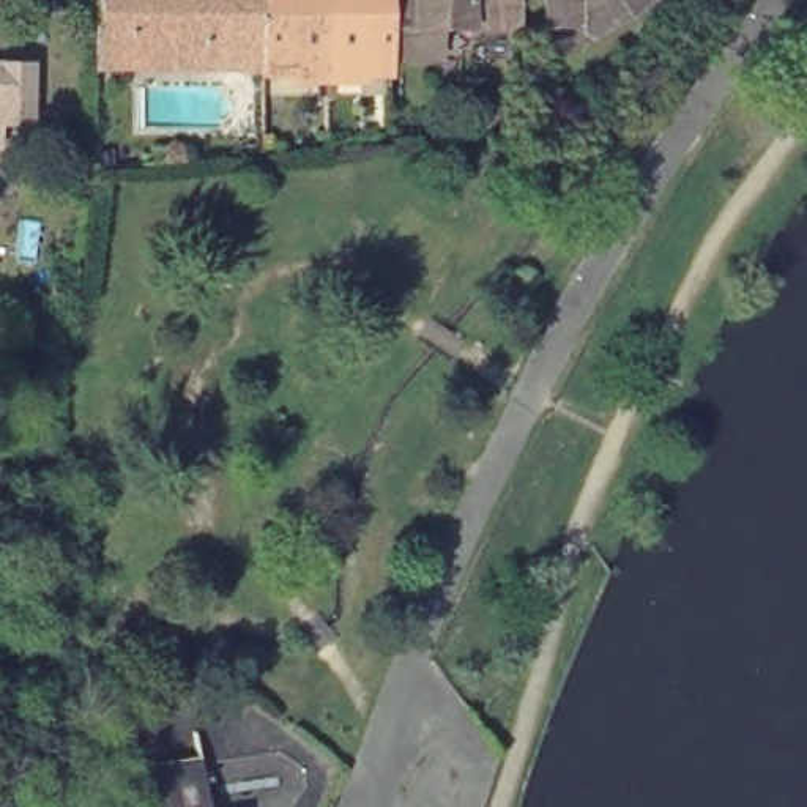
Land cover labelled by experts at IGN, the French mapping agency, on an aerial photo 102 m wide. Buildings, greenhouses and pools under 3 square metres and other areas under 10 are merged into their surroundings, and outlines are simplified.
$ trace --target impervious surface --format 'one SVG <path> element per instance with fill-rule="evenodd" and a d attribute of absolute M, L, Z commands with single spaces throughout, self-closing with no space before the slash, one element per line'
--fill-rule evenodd
<path fill-rule="evenodd" d="M 627 258 L 615 246 L 605 255 L 583 258 L 574 265 L 574 274 L 558 287 L 558 318 L 549 325 L 545 340 L 536 350 L 530 350 L 526 363 L 523 375 L 511 388 L 503 388 L 495 404 L 495 435 L 482 460 L 473 460 L 463 470 L 467 489 L 460 495 L 457 514 L 448 517 L 429 539 L 429 545 L 441 555 L 441 580 L 432 589 L 419 593 L 419 618 L 426 618 L 429 624 L 416 634 L 410 649 L 397 653 L 394 659 L 366 741 L 350 766 L 350 779 L 337 807 L 492 807 L 504 763 L 495 763 L 482 747 L 479 734 L 470 725 L 476 719 L 476 712 L 460 700 L 454 684 L 438 668 L 454 637 L 454 624 L 444 618 L 451 612 L 448 589 L 454 586 L 454 577 L 463 567 L 470 542 L 479 536 L 501 482 L 514 467 L 514 457 L 526 432 L 545 416 L 555 388 L 567 375 L 577 350 L 586 344 L 593 312 L 602 303 L 605 281 L 627 268 Z"/>
<path fill-rule="evenodd" d="M 252 79 L 243 73 L 167 73 L 167 82 L 173 88 L 221 91 L 230 107 L 227 117 L 218 126 L 148 126 L 145 95 L 158 88 L 151 76 L 132 76 L 136 136 L 240 136 L 255 120 Z"/>
<path fill-rule="evenodd" d="M 180 709 L 161 731 L 142 728 L 132 738 L 132 744 L 148 764 L 189 757 L 189 738 L 202 734 L 208 772 L 208 788 L 202 794 L 211 798 L 211 807 L 318 807 L 328 785 L 325 763 L 303 750 L 290 734 L 274 728 L 268 719 L 262 719 L 265 706 L 262 703 L 252 703 L 243 709 L 243 716 L 236 716 L 233 709 L 199 700 L 195 709 Z"/>
<path fill-rule="evenodd" d="M 388 88 L 385 88 L 381 82 L 375 82 L 375 85 L 369 85 L 369 88 L 366 88 L 363 95 L 366 95 L 366 98 L 372 98 L 372 104 L 375 104 L 375 107 L 372 107 L 372 120 L 375 120 L 375 123 L 385 123 L 385 110 L 388 110 Z"/>
<path fill-rule="evenodd" d="M 653 139 L 653 145 L 634 145 L 634 167 L 643 180 L 640 208 L 656 208 L 665 180 L 678 167 L 678 161 L 684 161 L 690 142 L 700 136 L 703 123 L 712 117 L 719 101 L 728 98 L 728 82 L 741 79 L 744 69 L 766 57 L 772 19 L 785 13 L 788 0 L 753 0 L 753 9 L 744 16 L 744 28 L 728 41 L 728 50 L 709 63 L 706 76 L 694 82 L 678 120 L 659 139 Z"/>

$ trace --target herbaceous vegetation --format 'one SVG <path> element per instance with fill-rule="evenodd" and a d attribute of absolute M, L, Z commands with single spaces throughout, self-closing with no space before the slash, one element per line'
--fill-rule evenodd
<path fill-rule="evenodd" d="M 722 347 L 719 328 L 731 322 L 725 318 L 728 312 L 722 303 L 722 290 L 709 281 L 694 299 L 694 306 L 684 312 L 684 328 L 678 375 L 671 381 L 659 381 L 649 397 L 637 397 L 627 410 L 637 413 L 637 422 L 646 422 L 671 410 L 694 394 L 697 369 L 716 359 Z"/>
<path fill-rule="evenodd" d="M 589 60 L 605 57 L 615 44 L 605 35 L 596 44 L 583 44 L 580 50 L 574 50 L 567 54 L 567 66 L 583 69 Z"/>
<path fill-rule="evenodd" d="M 16 183 L 13 189 L 6 186 L 0 192 L 0 271 L 35 271 L 38 277 L 44 277 L 50 274 L 50 265 L 38 255 L 19 258 L 16 236 L 22 221 L 35 221 L 41 227 L 38 246 L 47 246 L 50 240 L 63 236 L 79 199 L 50 189 L 32 189 L 25 183 Z"/>
<path fill-rule="evenodd" d="M 331 132 L 331 126 L 322 123 L 318 101 L 312 95 L 274 95 L 271 79 L 252 79 L 255 120 L 240 136 L 249 139 L 255 148 L 268 151 L 274 148 L 274 142 L 274 136 L 268 136 L 268 123 L 274 120 L 287 132 L 309 132 L 318 139 Z"/>
<path fill-rule="evenodd" d="M 627 258 L 627 268 L 605 281 L 602 303 L 593 312 L 586 344 L 577 350 L 567 375 L 555 388 L 545 416 L 526 432 L 514 457 L 514 467 L 501 482 L 479 536 L 470 542 L 463 567 L 454 577 L 454 586 L 448 589 L 451 612 L 444 618 L 454 624 L 454 637 L 438 668 L 454 684 L 460 700 L 476 712 L 476 719 L 508 750 L 514 741 L 511 731 L 517 722 L 533 659 L 530 653 L 511 649 L 517 637 L 495 630 L 492 621 L 501 608 L 492 599 L 479 599 L 476 593 L 479 555 L 508 555 L 517 571 L 530 571 L 549 558 L 558 558 L 564 549 L 561 530 L 571 526 L 571 511 L 602 444 L 602 435 L 612 416 L 621 410 L 621 404 L 602 385 L 602 344 L 618 328 L 624 328 L 637 312 L 671 309 L 675 290 L 681 287 L 706 230 L 725 208 L 725 202 L 734 195 L 738 183 L 753 170 L 753 164 L 766 154 L 766 148 L 775 139 L 791 136 L 788 120 L 772 120 L 757 107 L 734 104 L 728 98 L 719 101 L 712 117 L 703 123 L 700 136 L 690 142 L 684 161 L 678 161 L 678 167 L 665 180 L 656 208 L 640 208 L 640 224 L 627 230 L 615 246 Z"/>
<path fill-rule="evenodd" d="M 558 643 L 530 757 L 523 763 L 523 775 L 511 807 L 520 807 L 526 775 L 549 728 L 558 690 L 605 586 L 605 567 L 612 564 L 621 539 L 627 539 L 634 517 L 634 482 L 640 479 L 653 473 L 659 451 L 643 448 L 630 432 L 621 448 L 618 470 L 612 473 L 599 511 L 589 523 L 589 539 L 583 545 L 580 567 L 577 593 L 571 605 L 558 608 L 555 618 L 564 621 L 564 634 Z"/>
<path fill-rule="evenodd" d="M 363 95 L 347 95 L 353 126 L 375 123 L 375 120 L 372 120 L 372 107 L 375 107 L 375 104 L 372 104 L 372 98 L 366 98 L 366 95 Z"/>
<path fill-rule="evenodd" d="M 463 38 L 463 57 L 457 69 L 419 66 L 404 69 L 397 76 L 407 85 L 407 101 L 426 104 L 438 88 L 457 88 L 485 104 L 489 126 L 470 139 L 485 145 L 479 161 L 482 170 L 467 183 L 460 199 L 454 199 L 448 208 L 435 208 L 416 199 L 422 186 L 410 173 L 413 164 L 397 151 L 337 164 L 328 170 L 284 173 L 284 186 L 271 186 L 271 195 L 258 211 L 243 208 L 227 189 L 214 186 L 208 192 L 192 192 L 192 180 L 139 183 L 129 170 L 142 170 L 139 158 L 129 154 L 129 139 L 136 136 L 132 76 L 101 73 L 95 82 L 95 104 L 107 104 L 110 126 L 104 139 L 113 145 L 101 151 L 98 164 L 107 173 L 123 170 L 126 180 L 113 236 L 110 287 L 107 296 L 98 303 L 95 315 L 91 350 L 76 372 L 76 426 L 82 438 L 69 438 L 66 448 L 79 460 L 79 467 L 95 476 L 104 498 L 117 504 L 104 504 L 95 517 L 101 526 L 107 526 L 104 555 L 110 561 L 120 561 L 120 571 L 104 577 L 101 583 L 107 618 L 126 624 L 126 630 L 136 640 L 148 634 L 164 643 L 173 643 L 180 649 L 183 681 L 199 678 L 199 668 L 224 668 L 236 659 L 255 659 L 246 671 L 246 690 L 255 694 L 262 703 L 265 706 L 284 722 L 303 728 L 340 766 L 350 766 L 366 741 L 394 659 L 375 656 L 366 646 L 359 634 L 359 615 L 366 599 L 378 596 L 385 586 L 394 583 L 385 564 L 394 539 L 429 539 L 448 517 L 457 514 L 460 495 L 432 495 L 429 473 L 441 457 L 451 457 L 454 467 L 463 470 L 473 460 L 482 460 L 495 435 L 495 404 L 489 410 L 479 407 L 476 413 L 460 413 L 444 404 L 448 381 L 454 369 L 463 363 L 438 344 L 413 334 L 407 328 L 413 318 L 435 322 L 438 328 L 460 334 L 467 344 L 482 344 L 485 356 L 504 353 L 508 363 L 526 363 L 530 350 L 511 325 L 508 303 L 479 287 L 479 277 L 492 274 L 501 258 L 539 255 L 533 233 L 520 233 L 517 227 L 498 227 L 489 214 L 492 202 L 498 199 L 498 189 L 489 167 L 501 167 L 508 161 L 498 148 L 501 66 L 514 60 L 504 32 L 476 41 Z M 268 265 L 299 258 L 309 262 L 318 252 L 337 249 L 340 265 L 334 274 L 359 271 L 366 277 L 366 290 L 359 293 L 363 306 L 375 309 L 385 318 L 404 315 L 404 328 L 394 331 L 375 356 L 353 356 L 340 366 L 325 366 L 296 350 L 296 340 L 290 337 L 296 328 L 290 277 L 268 284 L 262 296 L 246 303 L 240 299 L 240 293 L 246 281 L 255 277 L 255 271 L 240 262 L 230 271 L 211 271 L 205 293 L 186 293 L 170 299 L 151 281 L 158 258 L 151 255 L 148 243 L 161 218 L 173 208 L 180 211 L 186 227 L 205 224 L 211 227 L 211 233 L 224 233 L 230 240 L 233 258 L 240 262 L 243 249 L 252 240 L 262 240 L 268 246 Z M 195 344 L 164 328 L 167 312 L 186 312 L 199 322 Z M 236 378 L 240 359 L 255 359 L 265 353 L 277 356 L 281 363 L 274 388 Z M 183 526 L 183 514 L 189 508 L 158 514 L 142 498 L 126 498 L 107 441 L 126 419 L 129 404 L 136 404 L 139 397 L 161 397 L 151 381 L 142 381 L 145 363 L 170 369 L 177 378 L 180 369 L 186 372 L 195 359 L 205 356 L 214 359 L 218 369 L 205 381 L 199 400 L 189 400 L 186 391 L 173 385 L 164 394 L 167 426 L 161 435 L 173 444 L 180 470 L 205 470 L 202 492 L 214 501 L 214 526 L 208 533 L 192 536 Z M 281 463 L 268 463 L 255 451 L 252 432 L 262 419 L 287 413 L 303 419 L 303 441 Z M 303 479 L 315 479 L 331 463 L 353 460 L 366 470 L 366 495 L 372 517 L 359 533 L 356 552 L 350 558 L 337 558 L 340 567 L 334 580 L 331 612 L 322 615 L 325 624 L 334 630 L 331 643 L 344 653 L 347 665 L 366 687 L 366 706 L 353 709 L 344 684 L 322 662 L 318 646 L 309 646 L 299 634 L 293 634 L 277 646 L 274 621 L 236 621 L 211 630 L 189 630 L 183 624 L 170 624 L 151 615 L 142 602 L 148 599 L 148 574 L 161 564 L 164 549 L 177 542 L 186 545 L 189 558 L 211 571 L 208 583 L 214 586 L 214 593 L 230 596 L 240 577 L 246 574 L 249 545 L 258 539 L 258 530 L 265 526 L 265 514 L 281 501 L 281 495 L 293 492 Z"/>
<path fill-rule="evenodd" d="M 782 170 L 744 214 L 728 243 L 741 255 L 757 252 L 766 246 L 769 236 L 782 230 L 782 224 L 794 211 L 807 208 L 807 167 L 794 154 L 788 154 Z"/>
<path fill-rule="evenodd" d="M 85 32 L 66 25 L 66 19 L 57 13 L 66 6 L 66 0 L 41 0 L 50 9 L 50 35 L 41 35 L 35 44 L 22 47 L 6 47 L 0 41 L 0 66 L 6 60 L 38 63 L 35 120 L 41 132 L 60 132 L 76 145 L 79 98 L 73 85 L 79 82 L 79 57 L 88 38 Z"/>

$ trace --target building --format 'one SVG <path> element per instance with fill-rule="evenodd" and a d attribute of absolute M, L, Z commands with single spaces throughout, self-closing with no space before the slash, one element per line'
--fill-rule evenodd
<path fill-rule="evenodd" d="M 615 44 L 627 32 L 637 35 L 643 28 L 643 19 L 662 0 L 542 0 L 545 16 L 558 28 L 574 32 L 574 50 L 580 50 L 583 44 L 596 44 L 605 35 Z"/>
<path fill-rule="evenodd" d="M 202 734 L 189 738 L 189 757 L 148 764 L 161 807 L 211 807 L 211 798 L 202 794 L 208 788 L 208 772 Z"/>
<path fill-rule="evenodd" d="M 0 151 L 13 145 L 13 136 L 22 120 L 35 120 L 38 63 L 6 60 L 0 66 Z"/>
<path fill-rule="evenodd" d="M 132 76 L 151 76 L 158 88 L 173 88 L 167 82 L 167 73 L 243 73 L 252 79 L 271 79 L 274 95 L 312 95 L 318 101 L 322 123 L 331 126 L 334 120 L 353 126 L 347 95 L 363 95 L 366 88 L 369 88 L 369 85 L 375 85 L 375 82 L 381 82 L 385 88 L 388 88 L 397 76 L 404 69 L 419 66 L 457 69 L 463 57 L 463 38 L 476 41 L 504 32 L 523 28 L 523 0 L 98 0 L 98 38 L 101 73 Z"/>

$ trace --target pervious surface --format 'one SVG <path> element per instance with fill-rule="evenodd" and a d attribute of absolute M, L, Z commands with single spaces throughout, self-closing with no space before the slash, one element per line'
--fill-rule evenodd
<path fill-rule="evenodd" d="M 318 646 L 322 662 L 344 684 L 353 709 L 366 706 L 366 687 L 347 665 L 344 653 L 331 643 L 334 630 L 325 624 L 322 615 L 315 615 L 303 599 L 290 599 L 290 615 L 315 630 Z"/>
<path fill-rule="evenodd" d="M 189 508 L 183 514 L 183 526 L 192 536 L 208 533 L 214 526 L 214 501 L 202 492 Z"/>
<path fill-rule="evenodd" d="M 485 356 L 482 344 L 467 344 L 460 334 L 438 328 L 435 322 L 413 318 L 407 328 L 413 334 L 438 344 L 463 363 L 503 388 L 511 388 L 523 375 L 526 363 L 508 363 L 504 353 Z"/>
<path fill-rule="evenodd" d="M 492 807 L 511 807 L 523 775 L 523 763 L 530 757 L 558 643 L 564 634 L 564 621 L 555 618 L 549 621 L 539 653 L 533 659 L 517 722 L 511 731 L 514 741 L 508 750 L 504 763 Z"/>
<path fill-rule="evenodd" d="M 734 195 L 725 202 L 725 208 L 706 230 L 681 287 L 675 290 L 671 309 L 668 331 L 684 328 L 684 312 L 694 306 L 694 299 L 709 281 L 716 258 L 725 252 L 728 243 L 744 214 L 782 170 L 788 154 L 794 154 L 798 145 L 791 136 L 775 139 L 766 148 L 766 154 L 753 164 L 753 170 L 738 183 Z"/>
<path fill-rule="evenodd" d="M 618 470 L 621 448 L 630 432 L 637 422 L 637 413 L 627 410 L 621 410 L 612 416 L 602 435 L 602 444 L 571 511 L 571 526 L 561 530 L 564 549 L 558 558 L 580 567 L 583 545 L 589 539 L 589 523 L 599 511 L 612 473 Z"/>
<path fill-rule="evenodd" d="M 173 385 L 186 391 L 189 400 L 199 400 L 205 381 L 218 369 L 214 359 L 205 356 L 195 359 L 186 372 L 180 369 L 177 378 Z"/>
<path fill-rule="evenodd" d="M 246 303 L 262 296 L 268 284 L 290 277 L 303 274 L 309 262 L 299 258 L 268 265 L 255 271 L 255 277 L 246 281 L 240 293 L 240 299 Z"/>

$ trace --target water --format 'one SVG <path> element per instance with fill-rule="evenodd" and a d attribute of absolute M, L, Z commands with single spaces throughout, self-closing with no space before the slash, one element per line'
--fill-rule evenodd
<path fill-rule="evenodd" d="M 668 482 L 653 473 L 640 479 L 646 492 L 659 498 L 659 539 L 649 549 L 640 549 L 627 539 L 621 539 L 612 564 L 605 567 L 605 586 L 558 690 L 549 728 L 526 775 L 520 807 L 807 807 L 807 208 L 794 211 L 782 224 L 782 230 L 769 236 L 766 246 L 757 252 L 772 281 L 775 299 L 763 315 L 731 322 L 719 328 L 722 347 L 716 359 L 697 369 L 694 394 L 671 410 L 678 413 L 690 444 L 700 448 L 703 463 L 681 482 Z"/>

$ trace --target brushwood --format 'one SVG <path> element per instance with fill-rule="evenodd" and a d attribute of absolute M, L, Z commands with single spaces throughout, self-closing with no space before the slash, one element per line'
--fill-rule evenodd
<path fill-rule="evenodd" d="M 95 104 L 95 82 L 101 73 L 98 38 L 88 38 L 79 57 L 79 82 L 73 85 L 79 98 L 76 145 L 82 161 L 98 164 L 101 151 L 113 145 L 104 139 L 110 126 L 107 104 Z"/>
<path fill-rule="evenodd" d="M 85 205 L 88 249 L 82 255 L 80 281 L 80 309 L 91 309 L 95 315 L 98 303 L 107 296 L 110 287 L 113 236 L 126 180 L 123 170 L 107 173 L 98 164 L 96 195 Z"/>
<path fill-rule="evenodd" d="M 350 779 L 350 766 L 340 766 L 303 728 L 284 722 L 265 706 L 262 719 L 268 719 L 274 728 L 290 734 L 303 750 L 325 763 L 328 785 L 318 807 L 337 807 Z"/>
<path fill-rule="evenodd" d="M 142 170 L 129 170 L 139 183 L 192 180 L 192 192 L 208 192 L 214 186 L 227 189 L 227 173 L 236 173 L 243 167 L 236 161 L 199 161 L 195 154 L 189 154 L 186 164 L 151 164 Z"/>
<path fill-rule="evenodd" d="M 495 763 L 504 763 L 508 750 L 476 719 L 470 725 L 479 734 L 482 747 Z"/>
<path fill-rule="evenodd" d="M 331 126 L 331 132 L 318 139 L 315 151 L 290 151 L 287 145 L 274 142 L 274 148 L 268 151 L 284 173 L 328 170 L 337 164 L 397 151 L 407 139 L 394 129 L 394 123 L 419 123 L 426 104 L 407 101 L 407 85 L 397 76 L 388 88 L 388 110 L 385 110 L 385 123 L 375 123 L 353 126 L 334 120 Z"/>

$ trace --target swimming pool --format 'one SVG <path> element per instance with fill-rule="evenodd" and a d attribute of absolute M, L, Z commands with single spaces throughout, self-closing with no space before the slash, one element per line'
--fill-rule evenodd
<path fill-rule="evenodd" d="M 38 246 L 41 227 L 35 221 L 22 221 L 16 236 L 19 258 L 38 255 Z"/>
<path fill-rule="evenodd" d="M 158 88 L 145 95 L 148 126 L 218 126 L 227 117 L 230 107 L 221 91 L 173 88 Z"/>

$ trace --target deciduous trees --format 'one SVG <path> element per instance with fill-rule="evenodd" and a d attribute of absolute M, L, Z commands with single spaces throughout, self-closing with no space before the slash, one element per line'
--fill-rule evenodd
<path fill-rule="evenodd" d="M 463 363 L 454 369 L 448 381 L 444 404 L 460 413 L 476 413 L 479 407 L 489 410 L 495 404 L 503 388 Z"/>
<path fill-rule="evenodd" d="M 139 158 L 142 170 L 151 164 L 186 164 L 189 154 L 195 154 L 199 161 L 236 161 L 243 167 L 236 173 L 227 173 L 227 189 L 243 208 L 258 211 L 271 195 L 271 186 L 284 186 L 284 173 L 268 151 L 255 148 L 249 139 L 240 136 L 136 136 L 129 139 L 129 154 Z"/>
<path fill-rule="evenodd" d="M 463 470 L 454 467 L 451 457 L 441 457 L 429 473 L 432 495 L 460 495 L 467 489 Z"/>
<path fill-rule="evenodd" d="M 640 549 L 649 549 L 659 539 L 659 498 L 646 492 L 640 479 L 634 482 L 634 517 L 627 539 Z"/>
<path fill-rule="evenodd" d="M 791 136 L 798 145 L 794 154 L 807 167 L 807 0 L 788 0 L 785 13 L 772 19 L 766 57 L 744 69 L 741 79 L 728 82 L 728 98 L 734 104 L 757 107 L 772 120 L 788 120 Z"/>
<path fill-rule="evenodd" d="M 435 208 L 448 208 L 454 199 L 460 199 L 467 183 L 482 170 L 479 161 L 485 145 L 470 139 L 489 126 L 485 104 L 457 88 L 438 88 L 426 104 L 419 123 L 394 123 L 394 129 L 407 139 L 397 151 L 413 164 L 410 173 L 422 186 L 416 199 Z"/>
<path fill-rule="evenodd" d="M 164 328 L 195 344 L 199 322 L 186 312 L 167 312 Z"/>
<path fill-rule="evenodd" d="M 161 435 L 167 426 L 164 394 L 173 385 L 177 378 L 170 369 L 145 363 L 142 381 L 151 381 L 161 397 L 139 397 L 136 404 L 129 404 L 126 419 L 107 441 L 126 498 L 142 498 L 158 514 L 189 508 L 202 492 L 205 470 L 180 470 L 173 444 Z"/>
<path fill-rule="evenodd" d="M 57 13 L 66 19 L 66 25 L 85 32 L 88 38 L 98 38 L 98 0 L 66 0 L 66 6 Z"/>
<path fill-rule="evenodd" d="M 643 448 L 659 451 L 653 473 L 668 482 L 681 482 L 703 463 L 700 448 L 690 444 L 678 413 L 671 410 L 646 422 L 637 422 L 630 432 Z"/>
<path fill-rule="evenodd" d="M 265 353 L 255 359 L 240 359 L 236 378 L 274 388 L 281 363 L 277 356 Z"/>
<path fill-rule="evenodd" d="M 79 467 L 79 460 L 66 448 L 69 438 L 82 438 L 76 426 L 76 372 L 91 350 L 95 315 L 91 309 L 80 309 L 80 281 L 82 255 L 88 249 L 85 205 L 96 195 L 98 164 L 82 161 L 76 145 L 60 132 L 41 132 L 35 120 L 22 120 L 13 136 L 13 145 L 0 151 L 0 192 L 6 186 L 13 189 L 16 183 L 25 183 L 32 189 L 50 189 L 79 199 L 63 236 L 50 240 L 47 246 L 38 246 L 38 255 L 50 265 L 50 274 L 44 277 L 38 277 L 35 271 L 0 271 L 0 807 L 161 807 L 148 764 L 132 744 L 132 738 L 142 728 L 161 731 L 180 709 L 195 709 L 199 700 L 233 709 L 236 716 L 243 716 L 243 709 L 252 703 L 262 703 L 255 694 L 246 690 L 246 671 L 255 659 L 236 659 L 224 668 L 199 668 L 199 678 L 183 681 L 180 649 L 173 643 L 164 643 L 148 634 L 136 640 L 126 630 L 126 624 L 107 618 L 101 583 L 104 577 L 120 571 L 120 561 L 110 561 L 104 555 L 107 526 L 101 526 L 95 517 L 104 504 L 117 504 L 104 498 L 95 476 Z"/>
<path fill-rule="evenodd" d="M 151 281 L 170 299 L 186 293 L 205 293 L 211 271 L 230 271 L 240 262 L 233 258 L 230 240 L 224 233 L 211 233 L 211 227 L 205 224 L 186 227 L 180 211 L 173 208 L 161 218 L 148 243 L 151 255 L 158 258 Z"/>
<path fill-rule="evenodd" d="M 274 142 L 287 145 L 290 151 L 315 151 L 318 139 L 309 132 L 287 132 L 274 120 L 268 123 L 268 136 L 274 136 Z"/>
<path fill-rule="evenodd" d="M 602 344 L 602 385 L 621 404 L 621 410 L 627 410 L 637 397 L 649 397 L 659 381 L 671 381 L 678 375 L 684 328 L 668 331 L 671 309 L 637 312 L 624 328 L 618 328 Z"/>
<path fill-rule="evenodd" d="M 495 630 L 517 637 L 511 649 L 530 653 L 533 659 L 539 653 L 549 621 L 555 618 L 558 608 L 571 605 L 577 593 L 580 567 L 558 558 L 549 558 L 530 571 L 517 571 L 508 555 L 479 555 L 476 593 L 479 599 L 492 599 L 501 608 L 492 621 Z"/>
<path fill-rule="evenodd" d="M 35 44 L 41 35 L 50 35 L 50 9 L 41 0 L 0 0 L 0 41 L 6 47 L 22 47 Z"/>
<path fill-rule="evenodd" d="M 498 199 L 492 202 L 489 214 L 498 227 L 517 227 L 520 233 L 533 233 L 539 255 L 501 258 L 492 274 L 479 277 L 479 287 L 508 303 L 511 325 L 530 350 L 536 350 L 545 340 L 549 325 L 558 318 L 558 287 L 574 274 L 574 265 L 583 258 L 605 255 L 615 246 L 627 230 L 640 224 L 640 208 L 643 180 L 634 167 L 634 145 L 653 145 L 653 139 L 659 139 L 678 120 L 694 82 L 706 76 L 709 63 L 728 50 L 728 41 L 744 28 L 744 16 L 753 9 L 753 0 L 662 0 L 643 19 L 643 28 L 637 35 L 627 32 L 615 44 L 605 57 L 589 60 L 583 69 L 567 66 L 567 54 L 574 50 L 574 32 L 558 28 L 545 16 L 542 0 L 523 0 L 523 28 L 504 32 L 514 60 L 501 66 L 498 148 L 508 161 L 501 167 L 489 167 L 498 189 Z"/>
<path fill-rule="evenodd" d="M 309 262 L 303 274 L 290 277 L 296 328 L 290 337 L 296 340 L 296 350 L 325 366 L 340 366 L 353 356 L 375 356 L 394 331 L 404 328 L 404 315 L 385 318 L 375 309 L 363 306 L 359 293 L 366 290 L 366 277 L 359 271 L 334 274 L 340 265 L 337 249 L 318 252 Z"/>
<path fill-rule="evenodd" d="M 757 252 L 741 255 L 728 243 L 725 252 L 716 258 L 709 281 L 722 290 L 722 303 L 728 312 L 725 318 L 731 322 L 763 315 L 775 299 L 772 281 Z"/>
<path fill-rule="evenodd" d="M 164 549 L 161 564 L 148 574 L 148 599 L 142 602 L 151 615 L 170 624 L 183 624 L 189 630 L 211 630 L 236 621 L 274 621 L 277 646 L 293 634 L 299 634 L 309 646 L 318 646 L 315 630 L 290 615 L 290 599 L 303 599 L 315 615 L 322 615 L 331 612 L 334 580 L 340 567 L 337 558 L 350 558 L 356 552 L 359 533 L 372 517 L 366 495 L 366 470 L 353 460 L 331 463 L 315 479 L 303 479 L 293 492 L 281 495 L 281 501 L 265 514 L 265 526 L 258 530 L 258 539 L 249 545 L 246 574 L 240 577 L 230 596 L 214 593 L 214 586 L 208 583 L 211 571 L 189 558 L 186 545 L 177 542 Z"/>
<path fill-rule="evenodd" d="M 252 240 L 243 249 L 240 262 L 255 271 L 268 265 L 268 246 L 262 240 Z"/>
<path fill-rule="evenodd" d="M 268 463 L 281 463 L 303 441 L 303 419 L 287 413 L 262 419 L 252 432 L 255 451 Z"/>
<path fill-rule="evenodd" d="M 359 615 L 359 634 L 366 646 L 375 656 L 394 659 L 397 653 L 410 649 L 416 634 L 429 624 L 426 618 L 419 618 L 419 593 L 432 589 L 441 580 L 441 555 L 429 545 L 429 539 L 394 539 L 385 564 L 394 583 L 385 586 L 378 596 L 366 599 Z"/>

